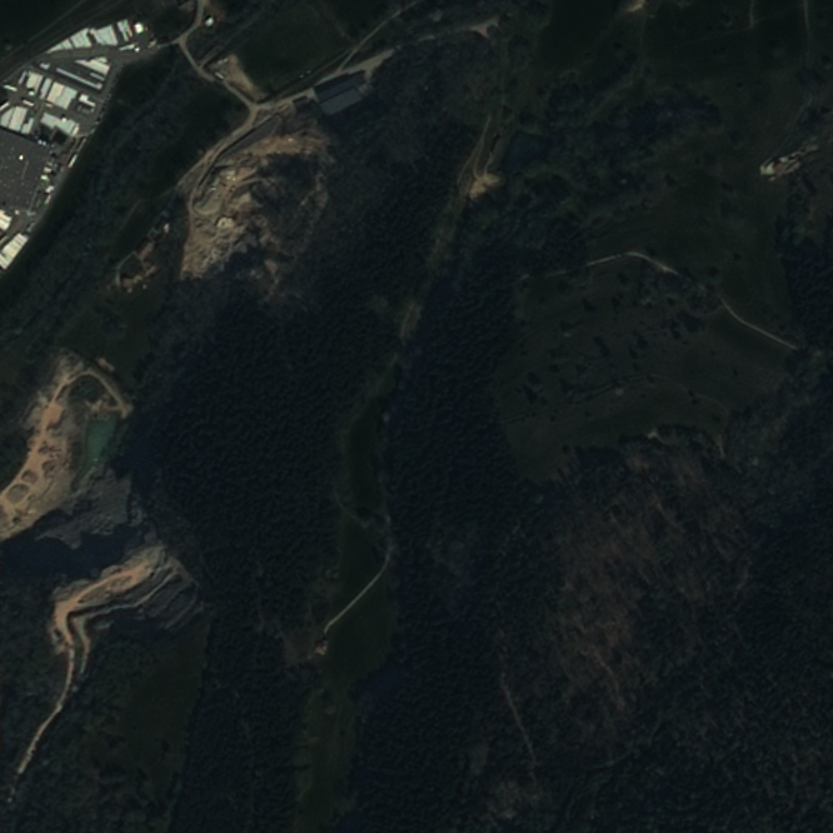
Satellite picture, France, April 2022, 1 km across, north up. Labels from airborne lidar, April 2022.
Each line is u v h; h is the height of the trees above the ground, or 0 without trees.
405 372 21
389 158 25
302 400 32
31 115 0
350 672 0
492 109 17
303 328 26
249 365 29
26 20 0
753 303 0
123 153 0
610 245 0
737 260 8
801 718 27
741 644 20
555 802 22
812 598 13
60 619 0
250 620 31
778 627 11
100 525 0
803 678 25
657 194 21
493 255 26
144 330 0
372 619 0
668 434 16
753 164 0
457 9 23
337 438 38
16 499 0
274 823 31
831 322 28
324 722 0
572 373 0
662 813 28
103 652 20
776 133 0
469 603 25
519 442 0
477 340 36
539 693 19
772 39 0
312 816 0
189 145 0
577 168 17
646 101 0
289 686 29
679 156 0
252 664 26
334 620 0
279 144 0
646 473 8
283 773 37
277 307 22
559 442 0
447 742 33
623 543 15
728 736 34
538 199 19
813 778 28
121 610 0
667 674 22
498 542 23
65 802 22
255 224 0
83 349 0
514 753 16
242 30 11
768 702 29
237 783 21
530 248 22
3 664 21
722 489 12
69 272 19
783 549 29
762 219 0
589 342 0
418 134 23
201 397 35
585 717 14
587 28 0
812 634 11
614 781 14
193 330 19
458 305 30
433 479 31
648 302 13
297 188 22
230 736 23
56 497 0
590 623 28
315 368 31
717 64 0
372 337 33
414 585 26
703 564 17
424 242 32
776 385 0
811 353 18
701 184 0
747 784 32
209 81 0
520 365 0
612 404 0
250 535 33
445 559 18
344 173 22
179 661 0
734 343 0
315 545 33
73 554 0
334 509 27
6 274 0
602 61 0
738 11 0
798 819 23
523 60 19
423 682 31
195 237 0
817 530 25
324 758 0
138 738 0
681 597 26
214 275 0
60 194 0
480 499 28
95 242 22
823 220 0
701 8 0
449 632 32
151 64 0
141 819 10
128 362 0
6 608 16
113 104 0
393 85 7
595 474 17
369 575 0
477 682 30
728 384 0
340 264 22
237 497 30
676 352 0
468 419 29
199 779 21
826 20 12
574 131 18
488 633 27
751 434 25
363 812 16
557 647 24
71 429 0
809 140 19
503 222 14
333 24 0
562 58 0
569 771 19
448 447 27
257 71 0
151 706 0
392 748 29
